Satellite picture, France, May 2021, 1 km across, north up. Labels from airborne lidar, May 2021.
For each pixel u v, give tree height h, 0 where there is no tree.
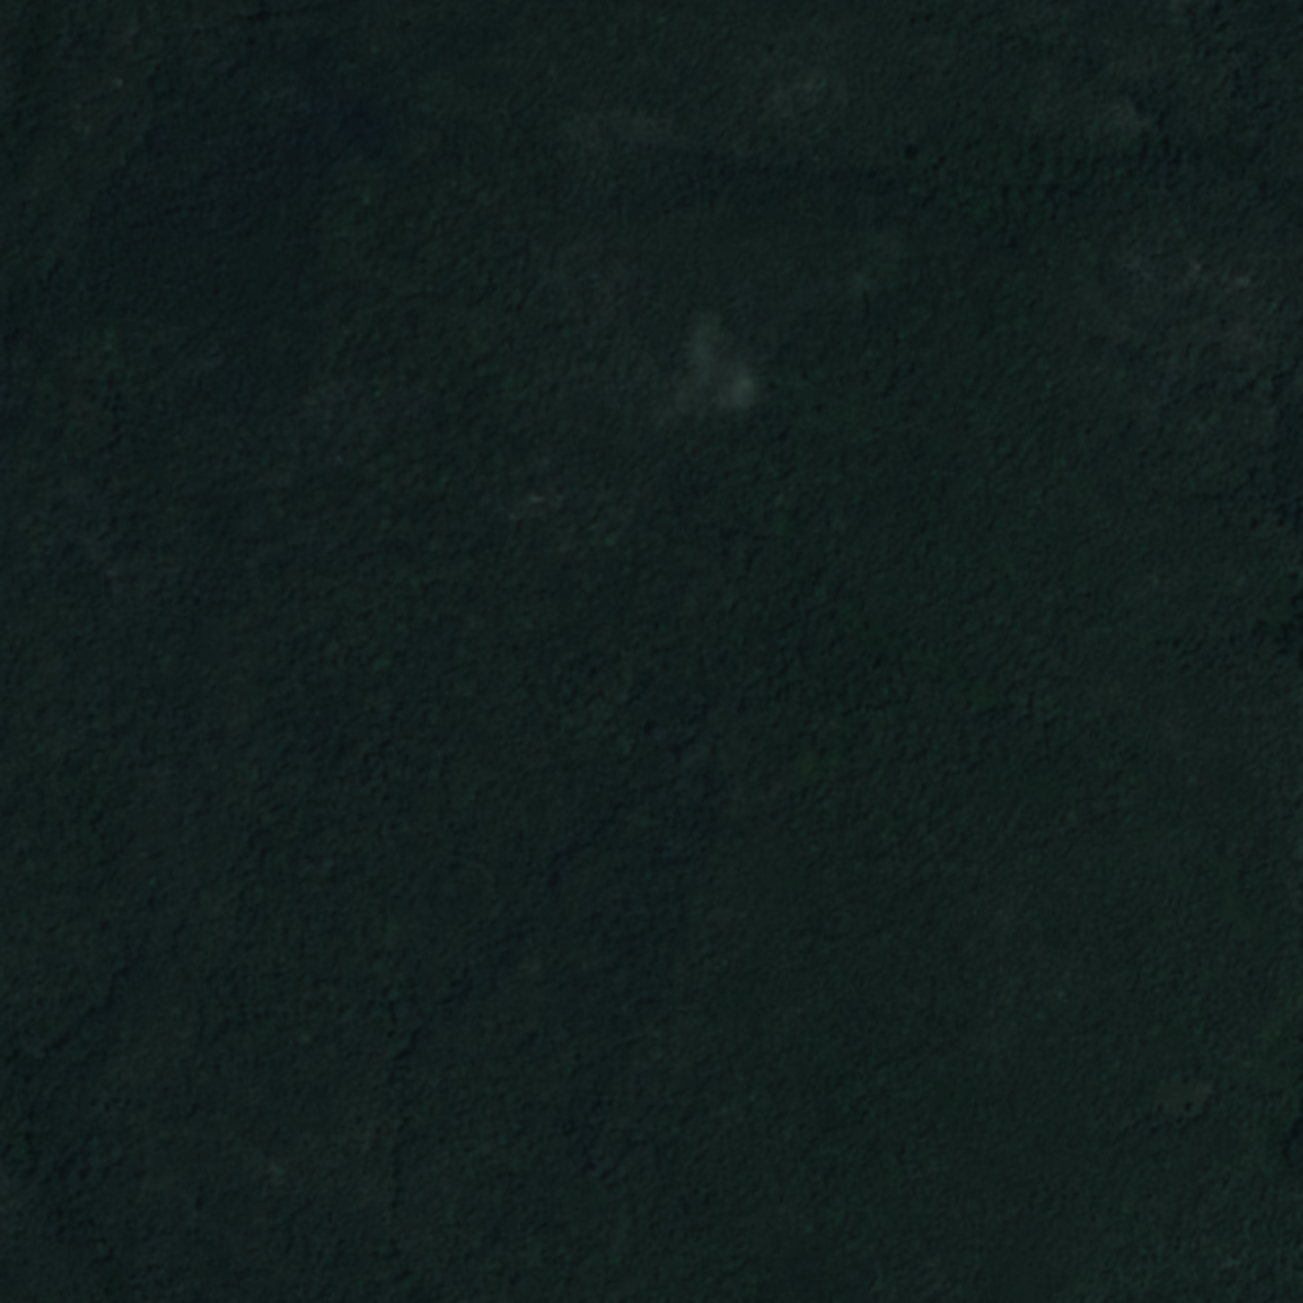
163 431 9
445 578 10
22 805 13
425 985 12
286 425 10
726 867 10
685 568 6
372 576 12
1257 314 11
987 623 9
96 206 14
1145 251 7
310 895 11
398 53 10
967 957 8
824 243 6
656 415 6
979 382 13
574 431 8
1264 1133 9
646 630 11
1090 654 13
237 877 14
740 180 17
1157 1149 9
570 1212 8
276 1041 7
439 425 9
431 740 10
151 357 8
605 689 18
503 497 10
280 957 16
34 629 6
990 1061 10
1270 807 7
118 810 15
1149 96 12
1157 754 6
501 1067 15
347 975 10
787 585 10
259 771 12
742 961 7
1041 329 7
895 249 10
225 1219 17
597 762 9
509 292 11
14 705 11
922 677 7
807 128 8
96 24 6
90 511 10
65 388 14
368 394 8
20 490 7
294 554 6
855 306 14
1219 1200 9
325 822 12
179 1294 13
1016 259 13
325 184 8
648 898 11
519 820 11
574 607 8
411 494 13
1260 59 14
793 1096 11
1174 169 20
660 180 7
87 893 15
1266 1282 11
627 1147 7
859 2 12
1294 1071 10
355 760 16
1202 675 9
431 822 14
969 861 7
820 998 8
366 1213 16
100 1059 9
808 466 13
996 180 8
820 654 15
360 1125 10
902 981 8
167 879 7
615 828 13
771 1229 10
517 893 12
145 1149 7
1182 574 7
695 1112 9
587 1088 13
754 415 13
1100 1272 8
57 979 10
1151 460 17
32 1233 13
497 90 8
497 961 11
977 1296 10
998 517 8
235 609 7
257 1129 14
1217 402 14
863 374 8
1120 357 7
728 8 7
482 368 14
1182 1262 10
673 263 6
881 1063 7
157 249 6
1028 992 11
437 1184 7
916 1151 8
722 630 9
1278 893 10
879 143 10
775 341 9
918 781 6
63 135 6
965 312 17
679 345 7
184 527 10
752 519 13
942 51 7
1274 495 25
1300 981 10
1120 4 10
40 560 6
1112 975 9
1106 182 12
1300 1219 8
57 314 9
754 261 7
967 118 9
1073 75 11
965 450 6
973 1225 8
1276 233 12
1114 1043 7
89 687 6
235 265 7
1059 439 8
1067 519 8
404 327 11
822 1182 11
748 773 10
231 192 9
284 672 7
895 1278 9
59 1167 12
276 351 7
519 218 8
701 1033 5
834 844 7
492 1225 18
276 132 9
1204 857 8
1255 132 16
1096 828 8
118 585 19
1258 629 13
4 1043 9
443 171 9
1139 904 8
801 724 9
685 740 7
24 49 12
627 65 8
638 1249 12
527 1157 15
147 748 14
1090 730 10
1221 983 9
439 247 13
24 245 11
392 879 10
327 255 10
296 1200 7
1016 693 14
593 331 8
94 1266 20
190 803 12
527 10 15
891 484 17
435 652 9
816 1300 7
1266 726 11
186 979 16
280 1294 10
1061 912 8
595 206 9
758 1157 11
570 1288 15
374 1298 15
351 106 8
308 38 13
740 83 8
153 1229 10
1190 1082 11
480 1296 16
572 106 10
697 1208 12
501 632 13
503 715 11
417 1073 16
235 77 13
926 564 10
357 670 12
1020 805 11
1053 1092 9
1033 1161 7
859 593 8
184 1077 6
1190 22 7
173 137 8
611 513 13
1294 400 15
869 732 11
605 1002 13
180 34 7
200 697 8
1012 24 12
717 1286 7
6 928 6
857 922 11
